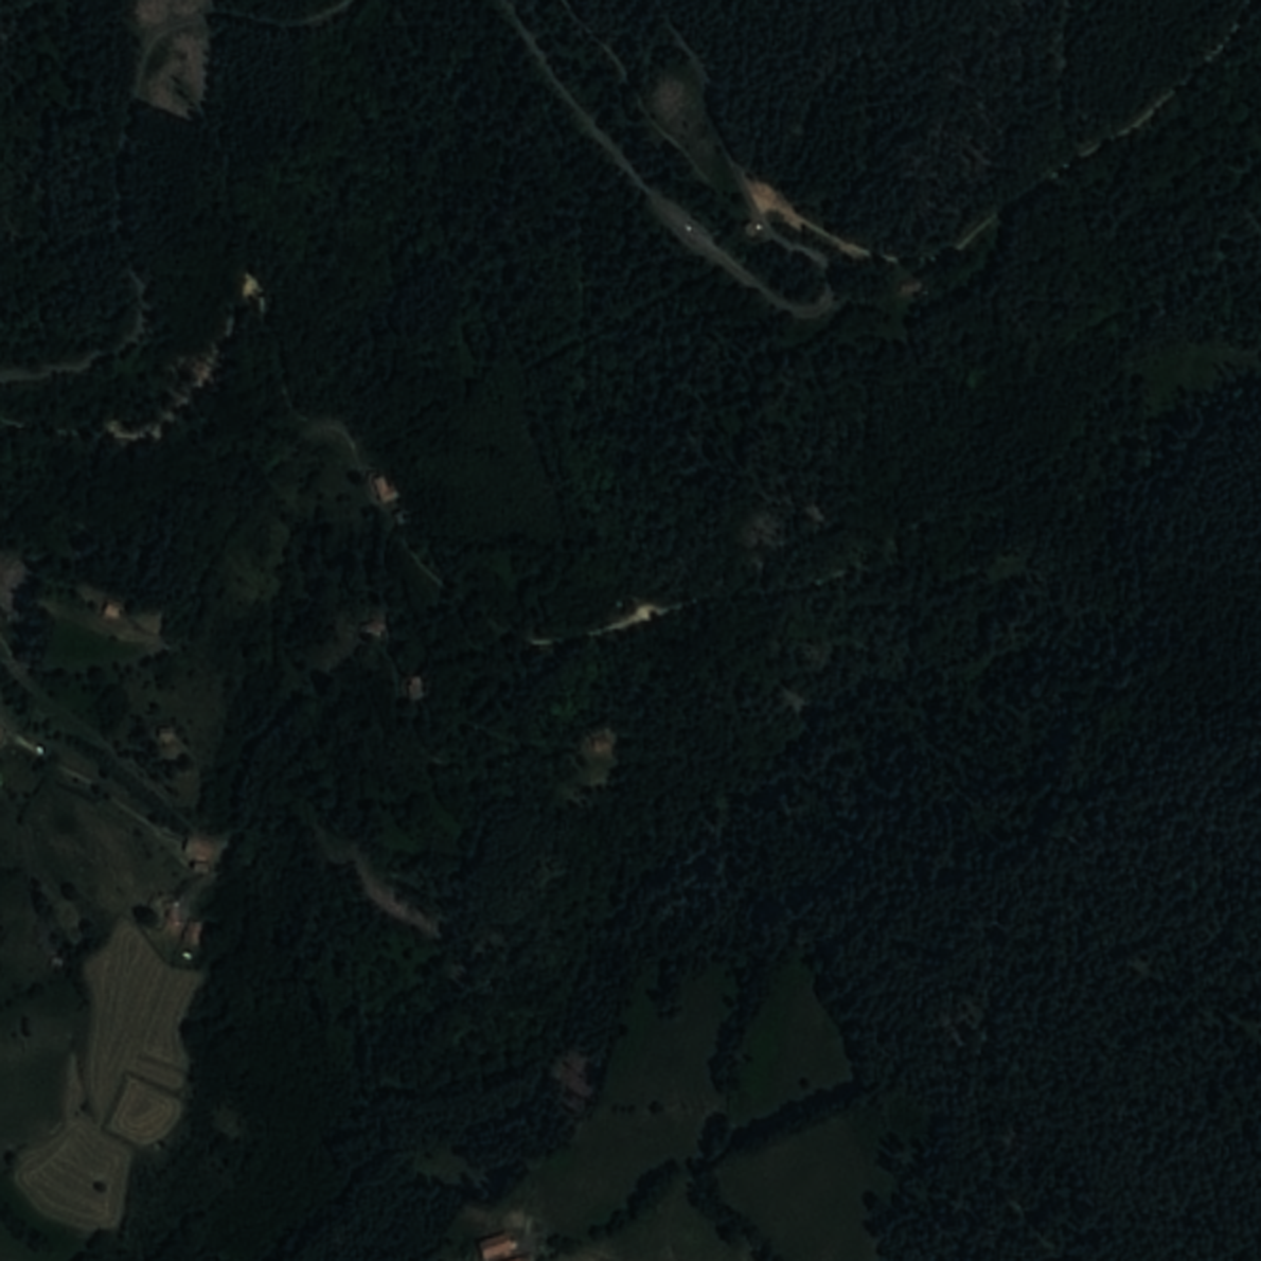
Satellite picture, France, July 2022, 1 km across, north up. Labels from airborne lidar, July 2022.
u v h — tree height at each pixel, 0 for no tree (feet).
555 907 72
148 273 59
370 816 59
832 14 79
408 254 46
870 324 53
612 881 76
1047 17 71
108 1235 27
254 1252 29
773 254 59
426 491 23
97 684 31
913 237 60
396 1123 106
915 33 76
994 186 68
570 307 45
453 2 77
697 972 67
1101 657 77
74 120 81
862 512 77
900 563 60
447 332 79
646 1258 0
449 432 20
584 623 45
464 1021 33
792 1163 0
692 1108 0
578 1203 0
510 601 54
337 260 31
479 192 51
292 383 49
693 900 117
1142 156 84
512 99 51
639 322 34
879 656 73
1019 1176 94
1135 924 97
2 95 32
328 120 30
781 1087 0
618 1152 0
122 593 51
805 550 76
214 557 62
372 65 50
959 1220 122
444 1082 49
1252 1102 82
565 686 43
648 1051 0
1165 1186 84
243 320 55
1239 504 106
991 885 94
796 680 111
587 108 49
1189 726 82
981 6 68
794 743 48
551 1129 82
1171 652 103
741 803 120
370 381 32
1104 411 76
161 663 38
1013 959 72
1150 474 69
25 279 48
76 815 0
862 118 52
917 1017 94
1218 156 62
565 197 43
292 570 29
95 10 81
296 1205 30
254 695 46
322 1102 21
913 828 103
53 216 87
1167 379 0
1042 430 43
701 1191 64
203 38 0
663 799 105
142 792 39
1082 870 90
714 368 48
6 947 0
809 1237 0
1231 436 81
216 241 52
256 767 77
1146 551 121
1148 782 93
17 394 30
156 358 49
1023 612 108
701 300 51
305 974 89
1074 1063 84
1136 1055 87
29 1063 0
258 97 70
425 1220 68
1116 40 61
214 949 60
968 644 80
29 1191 0
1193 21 75
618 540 36
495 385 46
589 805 42
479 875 94
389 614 19
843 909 114
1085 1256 77
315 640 31
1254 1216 89
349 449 0
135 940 0
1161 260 63
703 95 0
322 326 43
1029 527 77
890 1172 76
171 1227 21
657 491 49
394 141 57
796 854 28
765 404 69
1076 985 83
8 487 62
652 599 33
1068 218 95
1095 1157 109
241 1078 31
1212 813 97
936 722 48
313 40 43
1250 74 77
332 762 22
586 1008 76
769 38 70
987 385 56
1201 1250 91
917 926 81
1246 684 78
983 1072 43
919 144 69
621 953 62
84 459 32
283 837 59
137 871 0
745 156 76
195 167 69
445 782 42
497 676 40
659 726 77
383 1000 22
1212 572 66
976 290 52
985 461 63
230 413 73
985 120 58
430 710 48
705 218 39
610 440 39
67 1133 0
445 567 67
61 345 34
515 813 92
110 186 74
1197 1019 79
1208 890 90
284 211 62
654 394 78
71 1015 0
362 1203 74
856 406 50
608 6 77
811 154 49
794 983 0
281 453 36
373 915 64
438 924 0
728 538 58
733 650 86
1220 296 46
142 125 71
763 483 35
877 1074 68
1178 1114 87
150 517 52
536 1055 88
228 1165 46
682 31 81
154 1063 0
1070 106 81
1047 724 43
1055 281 94
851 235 74
